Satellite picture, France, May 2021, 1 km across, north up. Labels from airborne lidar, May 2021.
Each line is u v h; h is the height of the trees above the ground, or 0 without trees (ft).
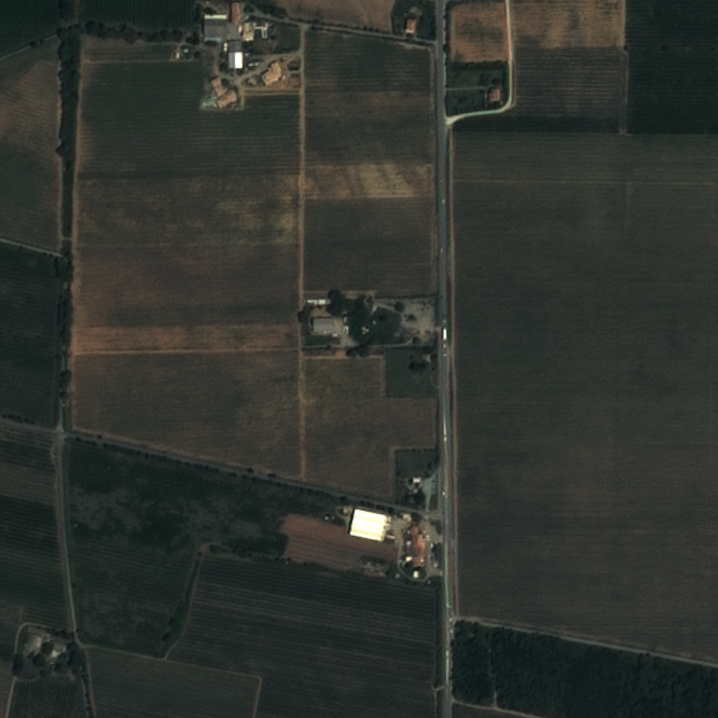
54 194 0
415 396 0
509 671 31
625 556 0
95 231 0
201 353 0
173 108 0
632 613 0
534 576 0
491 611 0
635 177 0
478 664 30
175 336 0
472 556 0
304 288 0
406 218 0
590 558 0
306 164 0
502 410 0
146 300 0
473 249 0
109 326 0
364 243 0
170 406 0
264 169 0
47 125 0
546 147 0
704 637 0
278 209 0
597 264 0
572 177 0
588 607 0
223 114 0
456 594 0
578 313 0
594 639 0
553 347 0
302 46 0
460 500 0
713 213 0
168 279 0
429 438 0
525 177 0
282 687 0
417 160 0
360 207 0
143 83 0
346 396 0
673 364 0
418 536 0
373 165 0
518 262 0
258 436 0
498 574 0
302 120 0
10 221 0
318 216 0
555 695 31
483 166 0
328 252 0
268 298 0
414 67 0
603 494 0
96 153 0
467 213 0
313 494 43
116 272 0
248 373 0
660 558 0
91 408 0
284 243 0
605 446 0
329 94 0
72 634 28
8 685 0
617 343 0
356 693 0
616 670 27
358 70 0
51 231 0
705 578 0
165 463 29
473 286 0
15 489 0
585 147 0
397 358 0
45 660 36
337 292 39
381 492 0
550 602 0
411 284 0
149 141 0
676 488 0
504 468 0
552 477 0
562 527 0
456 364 0
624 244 0
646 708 24
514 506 0
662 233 0
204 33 0
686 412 0
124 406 0
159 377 0
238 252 0
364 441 0
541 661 33
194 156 0
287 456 0
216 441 0
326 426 0
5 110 0
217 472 40
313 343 0
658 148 0
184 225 0
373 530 0
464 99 19
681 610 0
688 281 0
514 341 0
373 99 0
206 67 0
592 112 0
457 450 0
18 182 0
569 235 0
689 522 0
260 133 0
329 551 0
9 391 0
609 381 0
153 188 0
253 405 0
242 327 0
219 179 0
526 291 0
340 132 0
